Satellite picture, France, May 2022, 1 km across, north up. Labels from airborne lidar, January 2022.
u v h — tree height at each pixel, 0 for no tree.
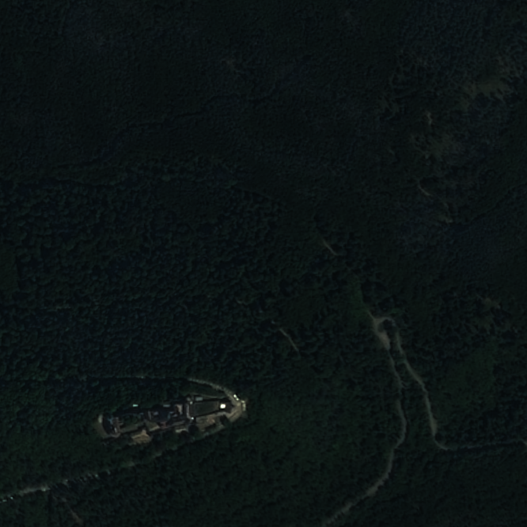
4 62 21
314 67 18
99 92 20
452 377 14
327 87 20
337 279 15
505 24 32
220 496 26
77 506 26
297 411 24
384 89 18
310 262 13
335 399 21
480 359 17
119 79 19
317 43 17
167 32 20
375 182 25
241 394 20
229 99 23
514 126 22
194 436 27
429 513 15
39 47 23
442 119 19
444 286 25
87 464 34
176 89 17
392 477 18
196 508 27
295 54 19
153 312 30
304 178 17
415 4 24
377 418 18
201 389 11
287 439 16
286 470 29
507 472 21
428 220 29
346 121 18
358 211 22
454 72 29
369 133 22
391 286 22
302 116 17
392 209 25
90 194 22
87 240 36
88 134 22
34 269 34
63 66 23
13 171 21
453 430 25
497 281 22
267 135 21
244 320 31
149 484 13
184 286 31
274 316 8
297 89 17
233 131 21
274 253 18
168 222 33
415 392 21
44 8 24
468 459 17
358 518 12
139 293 30
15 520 29
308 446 28
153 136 22
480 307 26
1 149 28
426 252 24
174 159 9
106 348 29
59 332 24
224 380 16
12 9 23
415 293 21
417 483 10
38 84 24
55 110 23
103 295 32
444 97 17
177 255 32
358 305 19
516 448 16
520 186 19
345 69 20
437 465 23
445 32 33
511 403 18
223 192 20
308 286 37
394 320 19
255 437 23
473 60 24
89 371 33
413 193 28
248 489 31
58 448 26
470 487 22
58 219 29
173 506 20
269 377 14
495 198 20
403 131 19
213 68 25
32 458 23
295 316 11
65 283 14
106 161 31
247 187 16
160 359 31
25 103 33
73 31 17
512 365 33
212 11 17
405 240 28
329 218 20
